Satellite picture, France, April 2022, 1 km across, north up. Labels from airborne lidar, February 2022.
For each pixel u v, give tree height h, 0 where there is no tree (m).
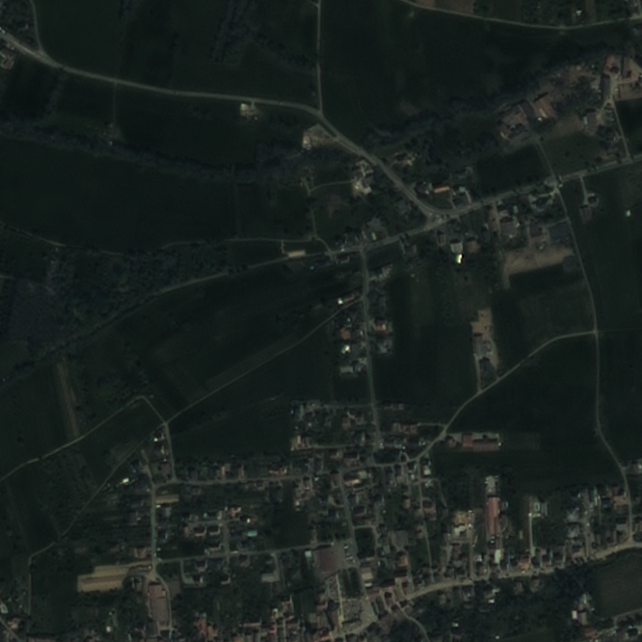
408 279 0
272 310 0
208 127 0
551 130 0
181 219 0
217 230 0
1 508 0
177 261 7
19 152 0
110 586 0
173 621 0
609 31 0
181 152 0
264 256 0
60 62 0
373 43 0
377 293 10
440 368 0
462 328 0
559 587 15
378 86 0
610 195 0
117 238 0
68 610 0
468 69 0
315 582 0
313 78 0
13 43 0
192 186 0
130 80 0
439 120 21
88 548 0
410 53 0
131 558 0
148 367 0
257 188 0
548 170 0
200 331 0
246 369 0
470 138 0
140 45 0
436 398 0
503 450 0
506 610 14
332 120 0
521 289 0
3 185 0
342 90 0
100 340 0
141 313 0
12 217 0
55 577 0
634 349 0
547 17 0
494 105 21
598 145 0
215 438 0
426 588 0
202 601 0
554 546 11
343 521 0
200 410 0
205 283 0
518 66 0
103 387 16
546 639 0
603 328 0
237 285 0
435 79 0
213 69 0
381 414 0
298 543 0
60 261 5
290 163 22
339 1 0
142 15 0
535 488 0
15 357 0
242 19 14
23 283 17
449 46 0
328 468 0
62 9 0
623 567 0
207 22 0
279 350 0
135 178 0
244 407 0
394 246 0
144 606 0
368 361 0
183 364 0
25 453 0
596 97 0
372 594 0
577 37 0
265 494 0
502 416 0
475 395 0
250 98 0
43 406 0
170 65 0
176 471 6
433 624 7
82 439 0
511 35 0
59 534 0
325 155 27
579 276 0
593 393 0
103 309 19
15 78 0
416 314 0
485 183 0
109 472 0
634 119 0
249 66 0
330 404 0
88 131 0
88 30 0
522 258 0
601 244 0
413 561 0
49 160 0
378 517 0
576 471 0
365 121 0
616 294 0
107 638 12
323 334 0
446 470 0
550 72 16
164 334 0
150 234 0
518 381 0
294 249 0
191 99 0
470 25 0
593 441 0
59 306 22
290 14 0
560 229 0
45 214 0
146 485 9
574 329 0
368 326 0
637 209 0
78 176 0
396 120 0
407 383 0
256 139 0
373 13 0
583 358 0
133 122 0
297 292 0
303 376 0
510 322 0
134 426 0
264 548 0
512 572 0
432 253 7
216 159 0
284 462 9
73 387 0
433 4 0
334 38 0
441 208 0
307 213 8
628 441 0
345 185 0
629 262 0
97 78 0
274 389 0
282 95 0
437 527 0
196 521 0
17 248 0
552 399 0
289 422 0
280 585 0
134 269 10
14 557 0
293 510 0
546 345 0
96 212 0
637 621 9
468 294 0
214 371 0
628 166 0
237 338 0
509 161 0
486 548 0
